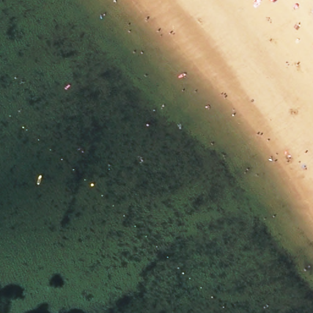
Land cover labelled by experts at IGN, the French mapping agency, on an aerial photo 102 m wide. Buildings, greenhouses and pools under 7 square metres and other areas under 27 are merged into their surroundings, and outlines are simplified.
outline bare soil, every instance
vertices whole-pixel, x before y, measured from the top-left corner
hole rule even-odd
[[[215,127],[216,142],[224,145],[231,141],[236,145],[236,150],[242,150],[242,160],[252,166],[249,183],[258,182],[259,187],[265,188],[265,196],[260,199],[260,203],[268,207],[269,212],[278,214],[287,235],[304,249],[313,262],[313,0],[98,0],[134,44],[147,48],[149,61],[159,67],[166,81],[174,83],[179,88],[179,92],[188,99],[188,104],[193,109],[207,109],[202,117],[212,122],[212,126]]]

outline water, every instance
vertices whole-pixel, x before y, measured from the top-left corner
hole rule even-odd
[[[304,249],[287,235],[278,214],[269,212],[268,207],[260,203],[260,199],[265,196],[265,188],[259,187],[258,182],[249,183],[252,166],[242,160],[242,150],[236,150],[236,145],[231,141],[224,145],[216,142],[215,127],[212,126],[212,122],[202,117],[207,109],[193,109],[188,104],[188,99],[179,92],[179,88],[174,83],[166,81],[159,67],[149,61],[147,48],[134,44],[98,0],[0,0],[0,313],[313,313],[313,262]]]

